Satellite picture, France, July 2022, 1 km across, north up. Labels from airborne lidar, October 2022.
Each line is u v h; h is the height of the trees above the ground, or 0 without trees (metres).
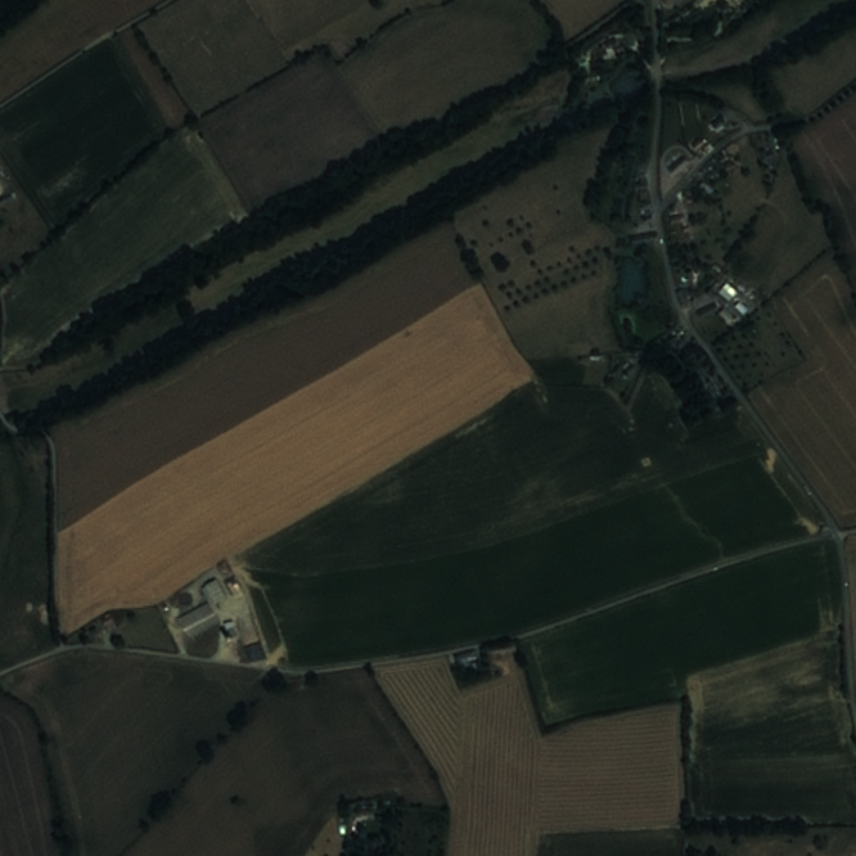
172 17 0
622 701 0
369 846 19
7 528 0
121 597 0
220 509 0
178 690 0
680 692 0
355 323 0
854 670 0
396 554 0
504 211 0
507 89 11
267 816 0
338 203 19
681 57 0
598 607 0
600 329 0
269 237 25
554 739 0
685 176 0
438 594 0
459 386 0
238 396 0
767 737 0
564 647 0
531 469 0
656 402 0
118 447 0
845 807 0
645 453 0
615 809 0
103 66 0
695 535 0
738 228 0
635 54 9
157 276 21
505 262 17
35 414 6
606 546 0
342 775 0
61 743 0
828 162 0
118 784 0
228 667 0
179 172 0
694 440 0
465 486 0
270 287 19
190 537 0
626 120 27
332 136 0
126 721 0
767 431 0
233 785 0
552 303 0
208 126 0
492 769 0
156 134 0
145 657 0
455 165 0
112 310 27
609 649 0
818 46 19
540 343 0
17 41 0
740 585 0
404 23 0
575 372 0
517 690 0
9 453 0
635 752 0
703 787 0
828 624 0
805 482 0
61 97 0
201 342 19
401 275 0
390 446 0
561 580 0
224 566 0
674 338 8
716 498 0
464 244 10
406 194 0
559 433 0
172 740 0
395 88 0
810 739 0
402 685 0
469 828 0
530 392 0
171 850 0
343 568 0
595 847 0
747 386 7
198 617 0
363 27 0
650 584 0
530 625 0
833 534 0
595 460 0
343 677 0
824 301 0
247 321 13
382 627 0
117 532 0
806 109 0
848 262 12
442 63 0
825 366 0
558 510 0
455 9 0
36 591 0
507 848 0
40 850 0
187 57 0
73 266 0
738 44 0
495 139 0
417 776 0
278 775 0
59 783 0
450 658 0
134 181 0
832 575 0
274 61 0
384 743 0
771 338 0
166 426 0
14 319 0
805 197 7
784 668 0
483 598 0
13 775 0
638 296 11
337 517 0
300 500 0
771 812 0
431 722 0
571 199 0
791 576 0
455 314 0
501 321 0
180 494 0
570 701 0
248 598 0
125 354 0
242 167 0
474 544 0
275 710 0
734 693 0
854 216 0
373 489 0
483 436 0
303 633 0
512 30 0
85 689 0
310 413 0
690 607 0
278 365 0
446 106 0
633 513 0
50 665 0
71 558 0
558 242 0
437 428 0
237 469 0
